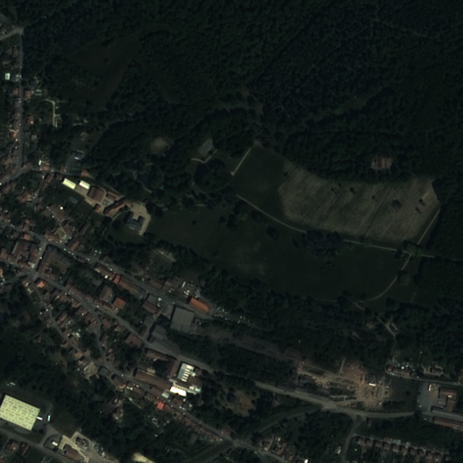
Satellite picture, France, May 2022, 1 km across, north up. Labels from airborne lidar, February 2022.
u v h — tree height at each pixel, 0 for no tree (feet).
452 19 40
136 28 49
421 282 69
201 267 83
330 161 85
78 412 82
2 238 51
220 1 103
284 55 46
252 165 0
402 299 0
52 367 28
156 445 0
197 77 39
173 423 27
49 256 0
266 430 0
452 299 77
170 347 0
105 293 0
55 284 0
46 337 0
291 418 0
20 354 59
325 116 0
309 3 49
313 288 0
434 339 75
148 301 0
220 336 0
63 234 0
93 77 21
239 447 0
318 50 45
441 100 56
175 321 0
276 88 63
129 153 63
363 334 27
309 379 0
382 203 0
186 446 22
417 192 0
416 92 101
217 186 75
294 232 0
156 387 0
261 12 75
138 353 54
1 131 0
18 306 71
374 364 0
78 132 40
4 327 41
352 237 0
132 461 0
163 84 0
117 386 0
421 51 53
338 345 57
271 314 62
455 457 60
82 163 55
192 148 54
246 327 37
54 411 0
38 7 89
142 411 0
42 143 38
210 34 75
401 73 55
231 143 51
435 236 59
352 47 27
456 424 0
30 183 18
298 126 89
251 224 0
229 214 0
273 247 0
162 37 41
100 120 57
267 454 0
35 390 31
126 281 0
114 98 44
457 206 64
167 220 0
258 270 0
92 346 19
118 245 64
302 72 73
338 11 36
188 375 0
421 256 0
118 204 0
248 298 53
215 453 0
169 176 60
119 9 80
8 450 0
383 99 63
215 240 0
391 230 0
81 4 79
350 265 0
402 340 52
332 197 0
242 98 89
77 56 0
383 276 0
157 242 39
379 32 28
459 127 75
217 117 90
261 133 53
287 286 0
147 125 56
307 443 67
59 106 0
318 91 49
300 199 0
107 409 0
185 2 92
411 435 0
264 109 0
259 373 53
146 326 0
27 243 0
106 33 68
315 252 71
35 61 64
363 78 73
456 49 42
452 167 21
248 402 0
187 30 64
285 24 79
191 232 0
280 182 0
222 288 56
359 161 103
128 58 0
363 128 93
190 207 115
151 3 96
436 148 47
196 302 0
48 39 82
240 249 0
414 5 49
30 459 0
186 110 25
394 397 0
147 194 0
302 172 0
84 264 38
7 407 0
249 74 85
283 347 29
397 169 80
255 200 0
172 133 64
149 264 0
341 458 0
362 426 0
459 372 64
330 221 0
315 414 22
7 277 51
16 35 0
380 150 63
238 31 79
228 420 45
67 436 0
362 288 0
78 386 0
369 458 36
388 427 54
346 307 86
